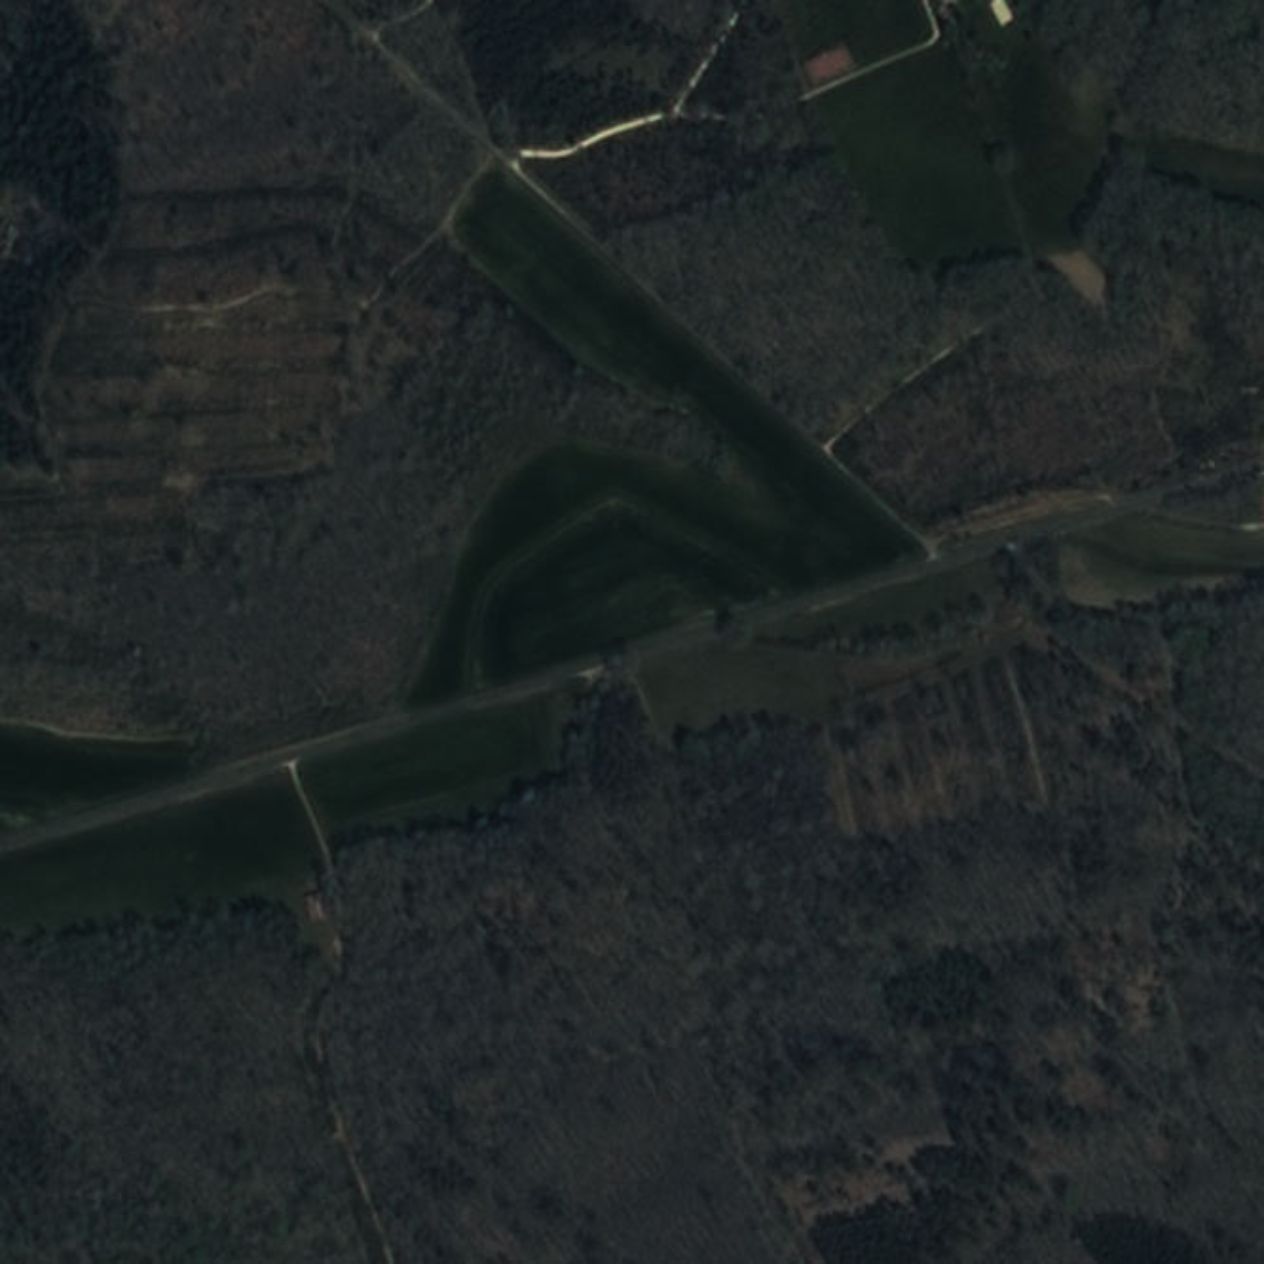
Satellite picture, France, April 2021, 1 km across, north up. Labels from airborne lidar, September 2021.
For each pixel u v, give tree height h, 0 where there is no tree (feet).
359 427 58
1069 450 22
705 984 43
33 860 0
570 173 23
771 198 84
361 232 21
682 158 33
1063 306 90
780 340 80
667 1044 51
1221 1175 59
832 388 91
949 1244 67
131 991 62
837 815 48
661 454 41
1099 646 61
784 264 77
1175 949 44
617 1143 51
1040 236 0
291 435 0
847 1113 63
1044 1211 28
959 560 0
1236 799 79
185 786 0
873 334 89
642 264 76
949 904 57
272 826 0
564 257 0
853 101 0
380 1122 68
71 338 0
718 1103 54
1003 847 56
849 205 83
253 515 75
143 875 0
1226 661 82
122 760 0
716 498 0
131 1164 56
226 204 22
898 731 79
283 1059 75
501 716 0
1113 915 39
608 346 0
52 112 103
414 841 68
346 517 52
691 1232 49
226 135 40
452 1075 50
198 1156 64
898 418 20
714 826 46
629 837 63
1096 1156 61
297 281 81
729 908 52
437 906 85
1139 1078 50
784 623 0
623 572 0
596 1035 54
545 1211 78
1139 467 20
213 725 31
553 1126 72
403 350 64
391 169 81
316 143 35
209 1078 63
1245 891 80
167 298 25
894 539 0
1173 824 46
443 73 76
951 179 0
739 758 61
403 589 36
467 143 75
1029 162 0
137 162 29
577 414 35
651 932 54
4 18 60
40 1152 78
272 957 61
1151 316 79
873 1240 60
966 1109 110
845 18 0
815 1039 61
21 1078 63
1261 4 75
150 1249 80
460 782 0
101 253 90
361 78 32
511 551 0
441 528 60
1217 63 87
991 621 74
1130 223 82
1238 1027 53
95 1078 66
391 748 0
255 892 0
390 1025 65
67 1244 70
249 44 26
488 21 34
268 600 44
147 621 49
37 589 49
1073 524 0
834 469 0
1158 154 0
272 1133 77
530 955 45
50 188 73
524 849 66
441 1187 77
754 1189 64
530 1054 56
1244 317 23
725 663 0
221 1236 53
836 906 59
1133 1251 57
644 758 53
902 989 56
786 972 42
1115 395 25
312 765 0
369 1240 18
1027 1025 50
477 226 0
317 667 43
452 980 71
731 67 30
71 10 78
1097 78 73
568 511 0
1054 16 86
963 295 79
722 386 0
